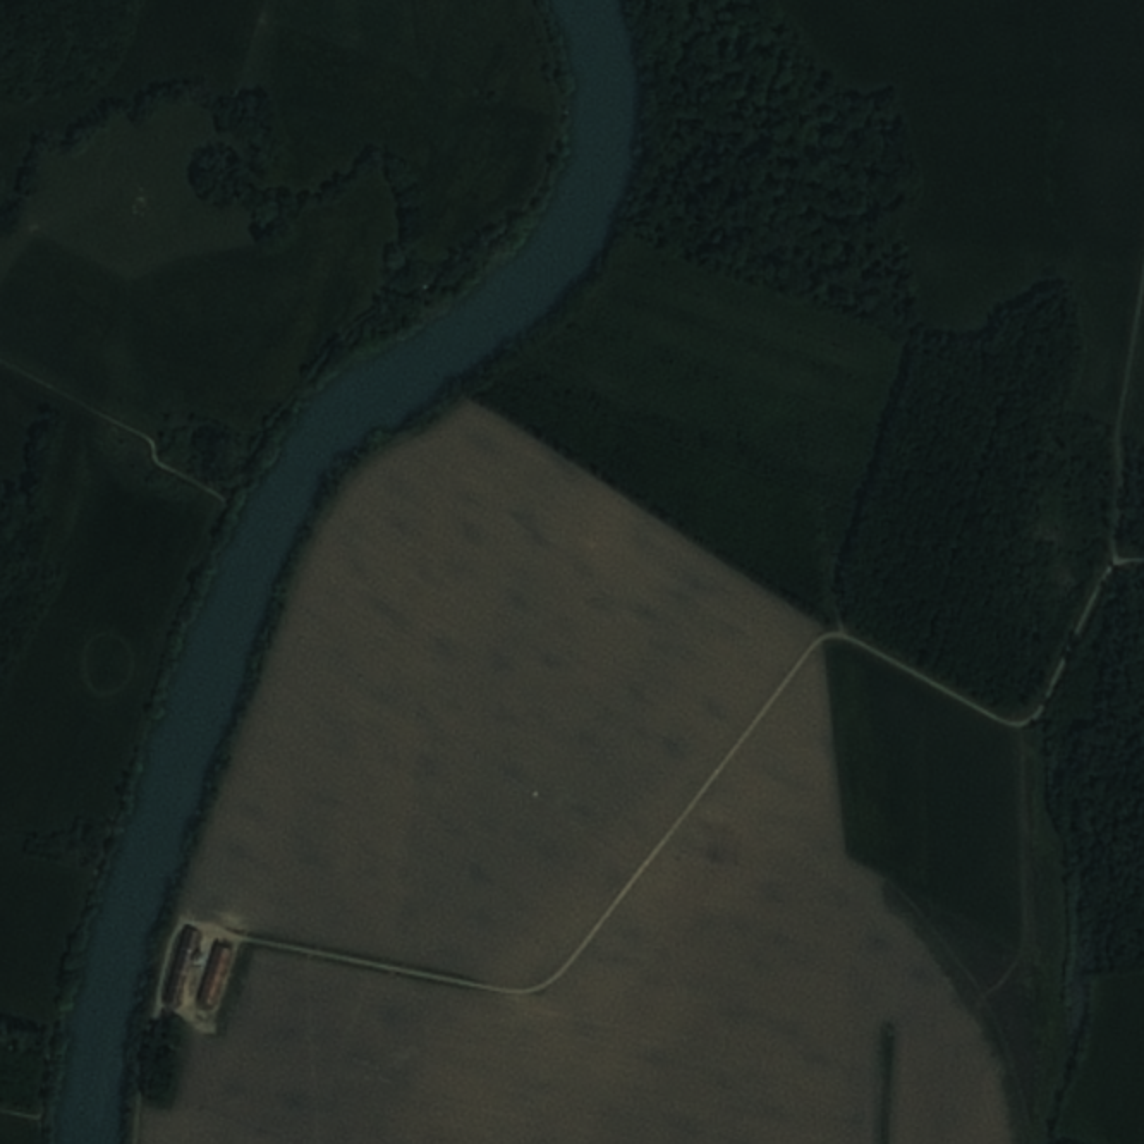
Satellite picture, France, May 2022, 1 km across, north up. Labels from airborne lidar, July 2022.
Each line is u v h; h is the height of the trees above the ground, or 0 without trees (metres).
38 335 0
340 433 0
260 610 0
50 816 0
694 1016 0
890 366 0
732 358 0
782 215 25
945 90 0
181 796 0
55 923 0
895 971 0
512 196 0
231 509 11
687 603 0
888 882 0
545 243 0
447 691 0
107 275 0
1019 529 20
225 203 17
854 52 0
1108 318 0
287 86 0
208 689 0
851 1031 0
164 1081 14
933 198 0
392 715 0
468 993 0
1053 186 0
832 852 0
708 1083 0
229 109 17
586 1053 0
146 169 0
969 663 19
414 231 21
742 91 18
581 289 13
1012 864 0
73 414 0
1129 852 13
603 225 0
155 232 0
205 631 0
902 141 23
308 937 0
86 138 14
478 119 0
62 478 0
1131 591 22
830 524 6
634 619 0
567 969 0
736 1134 0
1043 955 0
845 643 0
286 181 0
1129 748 16
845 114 28
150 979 14
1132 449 16
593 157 0
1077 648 19
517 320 0
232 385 0
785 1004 0
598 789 0
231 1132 0
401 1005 0
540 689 0
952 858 0
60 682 0
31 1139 0
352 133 0
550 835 0
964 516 18
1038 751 0
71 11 25
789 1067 0
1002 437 19
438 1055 0
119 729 0
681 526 9
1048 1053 0
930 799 0
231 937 0
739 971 0
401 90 0
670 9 24
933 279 0
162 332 0
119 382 0
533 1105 0
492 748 0
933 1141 0
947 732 0
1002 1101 0
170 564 0
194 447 11
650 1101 0
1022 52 0
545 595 0
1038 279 0
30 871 0
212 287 0
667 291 0
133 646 0
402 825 0
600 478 6
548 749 0
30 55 25
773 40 22
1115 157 0
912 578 22
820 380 0
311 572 0
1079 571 6
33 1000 0
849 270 25
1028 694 22
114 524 0
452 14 0
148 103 18
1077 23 0
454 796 0
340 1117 0
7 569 24
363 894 0
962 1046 0
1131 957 21
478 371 11
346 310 0
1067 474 7
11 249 0
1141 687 20
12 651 25
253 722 0
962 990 0
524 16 0
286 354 0
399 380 0
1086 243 0
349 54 0
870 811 0
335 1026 0
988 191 0
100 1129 0
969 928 0
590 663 0
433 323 0
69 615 0
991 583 20
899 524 21
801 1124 0
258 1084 0
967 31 0
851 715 0
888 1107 0
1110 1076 0
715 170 24
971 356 17
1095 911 13
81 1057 0
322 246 0
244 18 0
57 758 0
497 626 0
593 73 0
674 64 23
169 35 0
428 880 0
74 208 0
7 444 0
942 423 20
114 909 0
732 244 25
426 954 0
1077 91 0
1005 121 0
